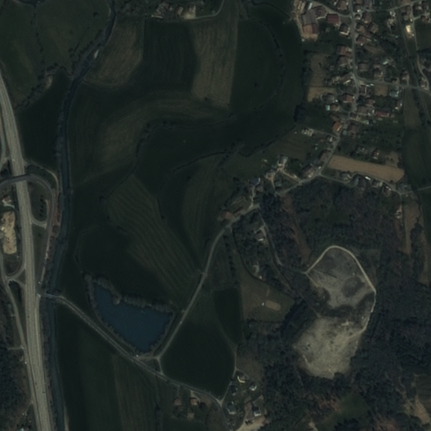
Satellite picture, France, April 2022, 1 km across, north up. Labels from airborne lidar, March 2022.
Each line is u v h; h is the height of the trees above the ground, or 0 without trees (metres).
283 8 0
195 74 0
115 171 0
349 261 0
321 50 0
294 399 17
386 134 0
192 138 0
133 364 0
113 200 0
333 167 0
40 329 0
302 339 0
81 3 0
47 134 0
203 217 0
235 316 0
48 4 0
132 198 0
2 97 0
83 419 0
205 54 0
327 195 21
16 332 0
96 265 0
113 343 0
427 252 0
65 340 0
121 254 0
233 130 0
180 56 0
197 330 0
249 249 21
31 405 0
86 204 0
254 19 0
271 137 0
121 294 0
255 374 0
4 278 0
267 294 0
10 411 18
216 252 0
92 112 0
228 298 0
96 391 0
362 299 0
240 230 14
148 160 0
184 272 0
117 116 0
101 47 17
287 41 0
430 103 0
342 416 0
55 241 14
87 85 0
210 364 0
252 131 0
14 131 0
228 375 0
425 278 0
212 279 0
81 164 0
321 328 0
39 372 0
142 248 0
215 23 0
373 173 0
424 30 0
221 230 0
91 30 0
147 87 0
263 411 0
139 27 0
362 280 0
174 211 0
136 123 0
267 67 0
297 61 0
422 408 0
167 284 0
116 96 0
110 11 0
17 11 0
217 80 0
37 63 0
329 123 0
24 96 0
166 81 0
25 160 0
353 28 0
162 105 0
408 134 0
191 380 0
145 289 0
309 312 31
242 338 0
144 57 0
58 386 0
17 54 0
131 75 0
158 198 0
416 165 0
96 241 0
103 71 0
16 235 0
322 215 0
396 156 0
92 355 0
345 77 0
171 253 0
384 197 0
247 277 0
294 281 13
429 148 0
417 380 0
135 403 0
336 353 0
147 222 0
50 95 0
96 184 0
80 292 0
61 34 0
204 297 0
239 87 0
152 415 0
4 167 0
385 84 0
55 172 0
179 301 0
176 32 0
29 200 0
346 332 0
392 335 6
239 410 0
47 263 14
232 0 0
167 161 0
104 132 0
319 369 0
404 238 0
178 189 0
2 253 0
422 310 0
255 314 0
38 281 0
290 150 0
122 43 0
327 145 0
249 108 0
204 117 0
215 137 0
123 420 0
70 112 0
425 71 7
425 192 0
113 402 0
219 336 0
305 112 24
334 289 0
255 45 0
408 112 0
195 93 0
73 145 0
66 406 0
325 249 7
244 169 0
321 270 0
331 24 0
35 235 0
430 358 27
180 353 0
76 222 0
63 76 0
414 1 0
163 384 0
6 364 18
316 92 0
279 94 0
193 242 0
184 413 0
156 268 0
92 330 0
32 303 0
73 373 0
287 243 26
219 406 0
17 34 0
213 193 0
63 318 0
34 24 8
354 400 0
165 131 0
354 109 0
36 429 0
